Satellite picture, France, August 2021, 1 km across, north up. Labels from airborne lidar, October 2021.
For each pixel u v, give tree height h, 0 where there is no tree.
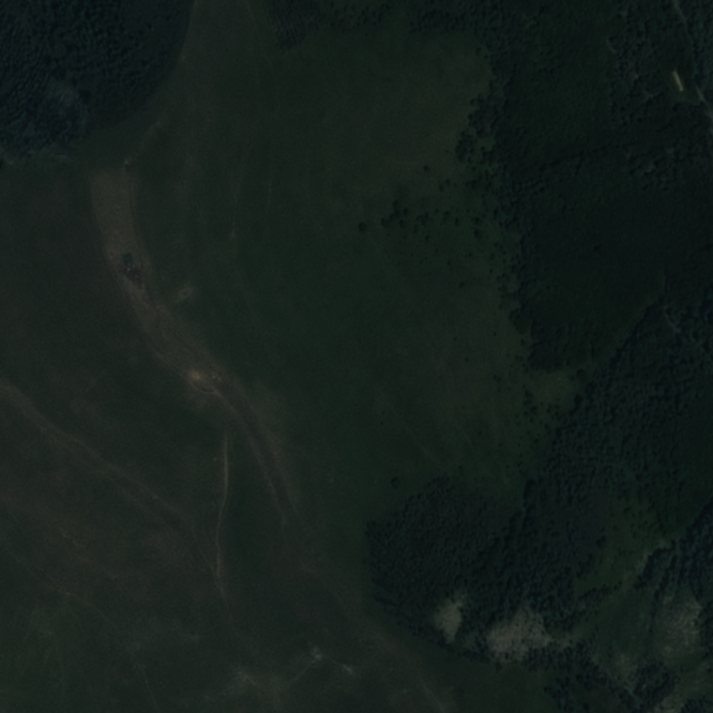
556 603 13
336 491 0
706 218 22
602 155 27
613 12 23
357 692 0
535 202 21
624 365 17
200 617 0
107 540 0
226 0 0
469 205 0
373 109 0
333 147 0
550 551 6
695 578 15
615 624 0
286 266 0
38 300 0
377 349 0
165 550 0
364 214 0
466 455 0
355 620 0
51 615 0
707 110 7
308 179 0
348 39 0
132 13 0
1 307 0
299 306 0
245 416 0
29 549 0
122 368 0
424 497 11
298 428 0
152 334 0
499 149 15
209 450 0
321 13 8
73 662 0
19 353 0
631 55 24
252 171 0
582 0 20
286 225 0
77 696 0
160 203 0
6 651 0
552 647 11
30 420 0
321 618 0
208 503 0
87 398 0
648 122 18
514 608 8
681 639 0
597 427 10
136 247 0
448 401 0
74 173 0
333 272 0
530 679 0
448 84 0
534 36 11
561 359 14
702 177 18
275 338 0
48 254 0
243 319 0
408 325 0
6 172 0
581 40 23
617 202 19
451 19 10
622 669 0
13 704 0
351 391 0
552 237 16
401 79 0
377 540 7
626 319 17
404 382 0
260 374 0
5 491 0
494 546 9
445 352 0
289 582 0
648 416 13
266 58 0
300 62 0
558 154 16
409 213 12
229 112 0
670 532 12
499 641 0
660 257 18
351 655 0
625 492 8
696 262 15
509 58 14
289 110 0
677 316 19
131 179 0
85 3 8
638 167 20
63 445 0
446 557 9
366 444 0
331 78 0
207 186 0
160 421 0
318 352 0
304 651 0
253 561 0
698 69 6
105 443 0
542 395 0
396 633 0
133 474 0
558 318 16
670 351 15
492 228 0
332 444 0
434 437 0
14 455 0
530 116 17
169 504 0
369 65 0
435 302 0
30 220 0
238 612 0
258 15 0
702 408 22
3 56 7
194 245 0
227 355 0
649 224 18
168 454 0
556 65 12
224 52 0
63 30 7
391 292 0
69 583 0
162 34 0
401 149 0
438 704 0
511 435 0
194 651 0
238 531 0
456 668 0
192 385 0
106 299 0
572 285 16
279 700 0
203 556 0
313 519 0
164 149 0
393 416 0
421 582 8
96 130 0
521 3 18
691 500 22
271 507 0
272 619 0
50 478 0
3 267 0
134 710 0
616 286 18
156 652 0
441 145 0
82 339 0
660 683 9
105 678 0
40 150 0
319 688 0
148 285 0
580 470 6
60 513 0
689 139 14
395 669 0
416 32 9
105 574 0
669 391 16
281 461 0
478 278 0
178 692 0
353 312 0
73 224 0
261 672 0
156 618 0
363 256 0
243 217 0
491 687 0
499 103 8
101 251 0
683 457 22
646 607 0
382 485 0
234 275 0
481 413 0
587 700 0
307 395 0
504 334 0
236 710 0
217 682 0
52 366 0
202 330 0
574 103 14
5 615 0
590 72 17
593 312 14
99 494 0
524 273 14
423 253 0
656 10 21
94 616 0
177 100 0
